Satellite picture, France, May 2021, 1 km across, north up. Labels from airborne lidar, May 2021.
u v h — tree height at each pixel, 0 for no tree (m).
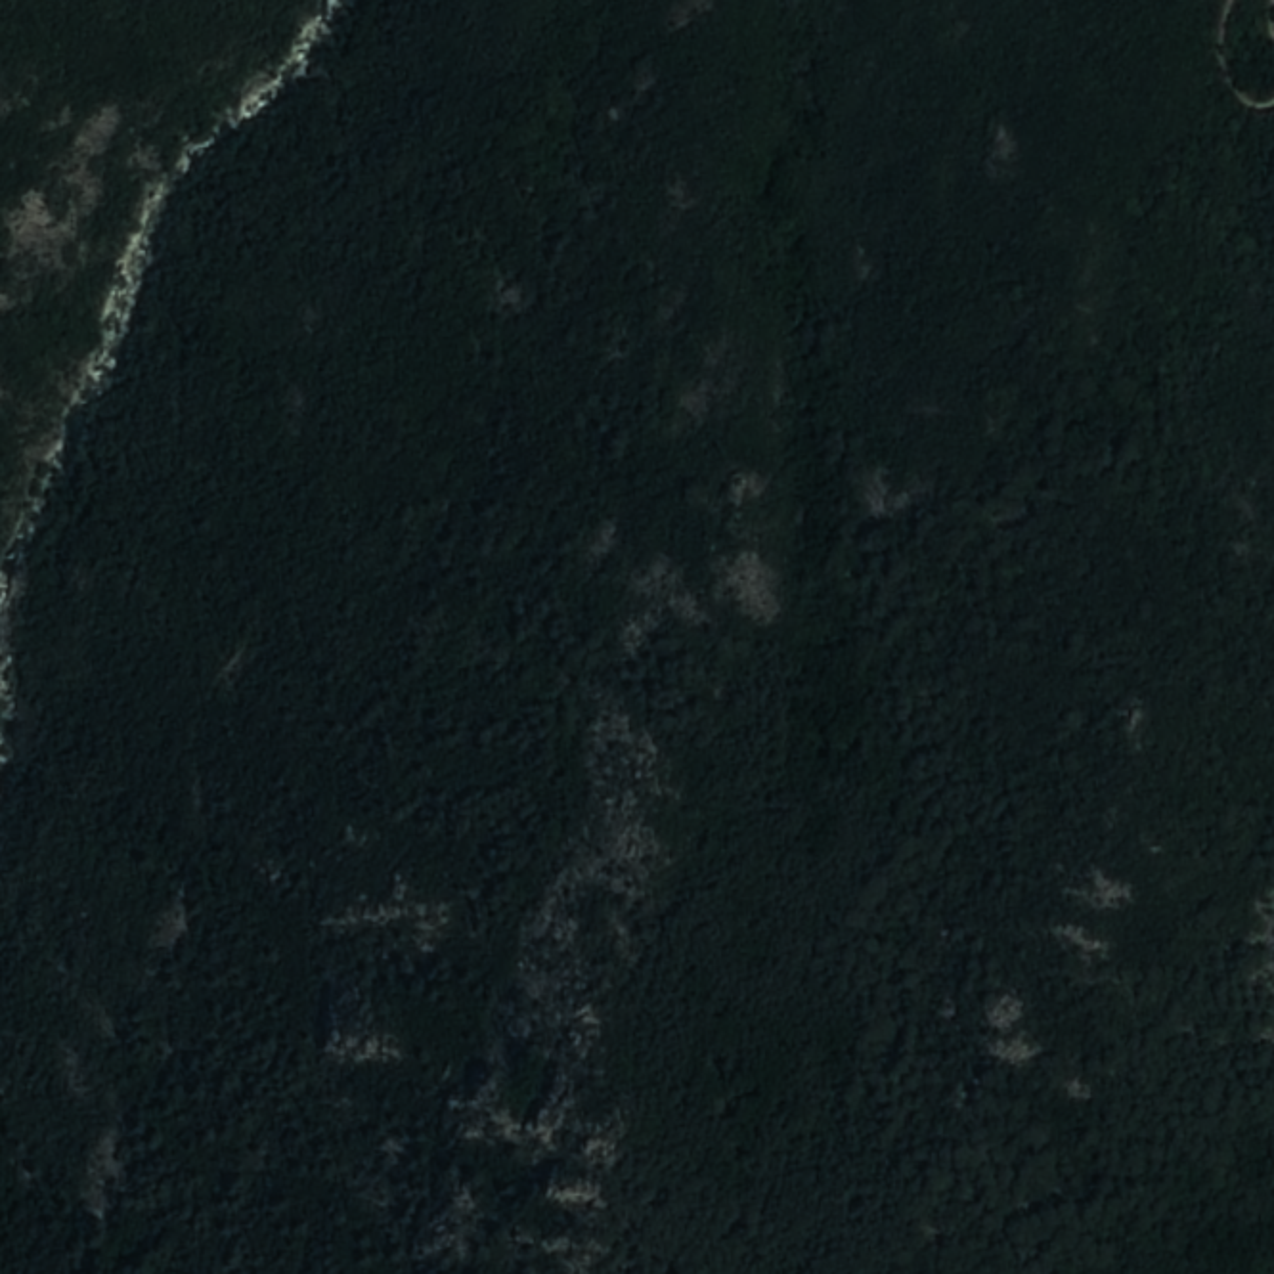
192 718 10
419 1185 16
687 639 6
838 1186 20
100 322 13
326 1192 10
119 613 8
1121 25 7
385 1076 7
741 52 7
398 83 11
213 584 14
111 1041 7
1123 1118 20
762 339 6
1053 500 23
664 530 9
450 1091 6
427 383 13
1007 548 20
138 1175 19
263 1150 7
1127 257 9
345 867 6
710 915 18
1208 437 7
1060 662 12
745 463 6
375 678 7
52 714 9
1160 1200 25
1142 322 12
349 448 13
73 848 10
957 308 10
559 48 12
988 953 11
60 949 11
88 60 16
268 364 7
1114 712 12
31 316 14
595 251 14
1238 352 10
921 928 16
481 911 17
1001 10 8
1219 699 14
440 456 14
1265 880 9
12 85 10
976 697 18
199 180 11
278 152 18
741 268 8
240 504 11
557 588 14
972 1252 20
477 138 7
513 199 11
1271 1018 18
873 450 9
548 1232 8
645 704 14
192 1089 15
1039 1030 9
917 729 14
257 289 6
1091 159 7
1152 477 14
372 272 12
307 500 12
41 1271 19
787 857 22
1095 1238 22
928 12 7
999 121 7
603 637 17
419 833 11
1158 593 18
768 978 26
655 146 6
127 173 6
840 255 7
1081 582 20
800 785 18
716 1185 26
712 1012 20
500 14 7
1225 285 11
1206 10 11
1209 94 15
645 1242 22
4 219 11
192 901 10
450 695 8
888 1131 27
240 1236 14
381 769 11
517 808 17
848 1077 23
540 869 11
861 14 6
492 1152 8
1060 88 7
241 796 13
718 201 6
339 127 17
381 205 6
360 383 9
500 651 7
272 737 14
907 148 7
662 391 8
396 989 10
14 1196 13
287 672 14
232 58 9
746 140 7
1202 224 9
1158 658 10
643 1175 22
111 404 18
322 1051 7
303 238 8
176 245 6
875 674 11
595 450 10
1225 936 15
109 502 19
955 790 19
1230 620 15
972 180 8
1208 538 10
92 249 9
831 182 5
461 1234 8
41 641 12
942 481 8
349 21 20
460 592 15
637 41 6
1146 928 12
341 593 12
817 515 26
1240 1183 16
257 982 10
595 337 10
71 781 15
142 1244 12
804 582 18
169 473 7
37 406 7
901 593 6
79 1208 9
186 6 9
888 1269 20
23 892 7
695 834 7
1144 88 6
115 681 10
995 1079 20
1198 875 17
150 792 10
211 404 10
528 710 18
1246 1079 31
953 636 11
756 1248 24
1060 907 7
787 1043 24
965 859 12
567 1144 14
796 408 13
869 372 7
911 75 7
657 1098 14
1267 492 8
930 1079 15
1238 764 14
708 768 15
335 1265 7
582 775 6
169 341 14
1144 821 11
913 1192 16
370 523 14
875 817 17
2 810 8
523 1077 11
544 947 9
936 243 8
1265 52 15
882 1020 23
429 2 14
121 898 8
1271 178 14
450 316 10
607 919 8
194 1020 8
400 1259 19
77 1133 7
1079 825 9
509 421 16
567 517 9
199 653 6
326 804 13
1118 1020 12
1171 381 11
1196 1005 15
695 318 6
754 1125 18
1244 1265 22
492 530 19
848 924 26
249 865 8
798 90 17
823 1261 20
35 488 12
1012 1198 20
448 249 13
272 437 11
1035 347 15
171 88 8
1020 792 17
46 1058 10
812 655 15
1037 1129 26
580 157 11
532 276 9
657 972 13
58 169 7
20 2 7
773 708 19
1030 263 8
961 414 6
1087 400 16
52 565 15
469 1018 8
